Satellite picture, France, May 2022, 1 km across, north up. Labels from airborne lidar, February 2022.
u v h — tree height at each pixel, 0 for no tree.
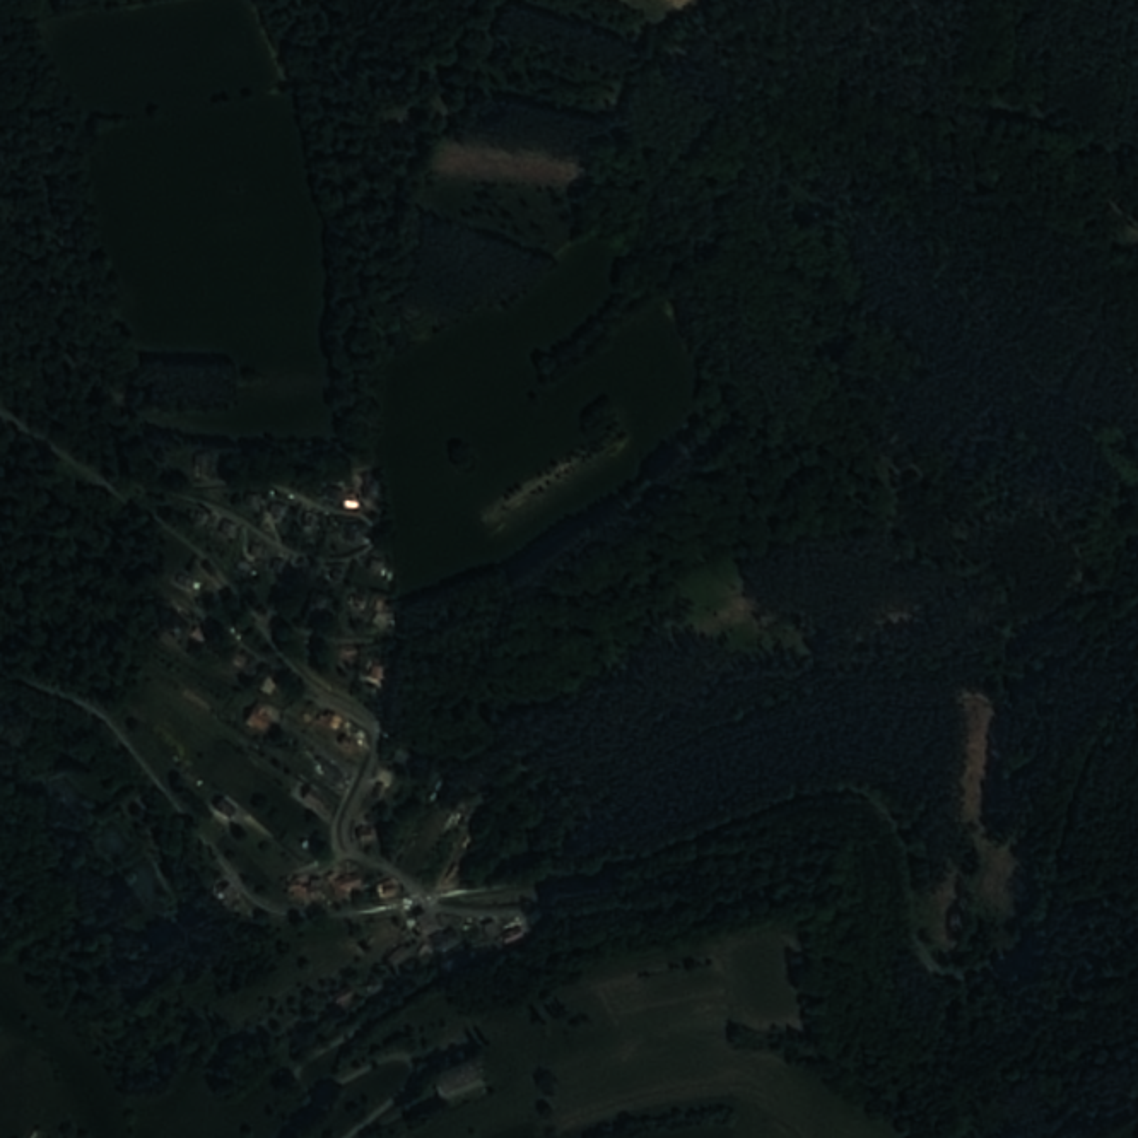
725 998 0
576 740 32
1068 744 28
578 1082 0
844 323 30
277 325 0
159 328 0
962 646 28
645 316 0
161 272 0
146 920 0
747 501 35
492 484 0
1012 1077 20
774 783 26
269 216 0
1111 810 27
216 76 0
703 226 16
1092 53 20
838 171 16
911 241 29
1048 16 20
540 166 0
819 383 24
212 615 14
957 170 30
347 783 0
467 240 22
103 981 37
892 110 27
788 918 16
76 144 28
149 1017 30
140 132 0
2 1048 0
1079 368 26
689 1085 0
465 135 24
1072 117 18
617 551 35
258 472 26
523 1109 0
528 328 0
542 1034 0
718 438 23
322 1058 0
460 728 27
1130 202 28
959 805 32
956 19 33
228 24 0
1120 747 28
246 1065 12
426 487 0
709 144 27
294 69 20
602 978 0
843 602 31
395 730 21
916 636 31
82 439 33
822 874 23
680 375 0
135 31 0
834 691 26
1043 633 30
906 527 13
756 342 21
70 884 28
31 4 25
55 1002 17
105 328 30
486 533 0
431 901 0
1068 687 24
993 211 20
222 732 0
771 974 0
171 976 38
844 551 28
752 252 29
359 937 9
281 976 0
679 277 26
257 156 0
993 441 31
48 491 32
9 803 21
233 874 0
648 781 29
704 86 23
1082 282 18
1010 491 31
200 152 0
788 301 28
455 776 25
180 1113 0
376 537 17
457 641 22
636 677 34
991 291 24
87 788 0
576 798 31
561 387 0
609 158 31
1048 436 27
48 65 23
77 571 18
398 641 14
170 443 23
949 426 29
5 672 22
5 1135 0
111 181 0
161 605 18
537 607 33
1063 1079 19
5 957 14
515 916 0
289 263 0
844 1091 12
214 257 0
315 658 19
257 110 0
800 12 24
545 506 0
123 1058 13
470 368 0
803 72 18
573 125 26
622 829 31
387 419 0
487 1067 0
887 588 30
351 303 26
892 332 26
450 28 19
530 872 21
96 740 24
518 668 37
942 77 28
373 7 17
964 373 29
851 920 13
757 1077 0
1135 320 25
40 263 28
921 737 26
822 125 24
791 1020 0
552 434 0
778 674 28
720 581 33
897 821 18
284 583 24
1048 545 14
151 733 0
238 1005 0
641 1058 0
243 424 0
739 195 27
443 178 0
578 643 31
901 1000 23
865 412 29
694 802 25
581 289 0
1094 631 23
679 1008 0
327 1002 0
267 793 0
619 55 22
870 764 28
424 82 30
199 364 21
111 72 0
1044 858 31
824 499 33
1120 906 36
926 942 21
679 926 24
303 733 0
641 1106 0
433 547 0
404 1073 0
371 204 29
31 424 32
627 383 0
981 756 26
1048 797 24
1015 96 14
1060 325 21
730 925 23
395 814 14
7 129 24
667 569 38
